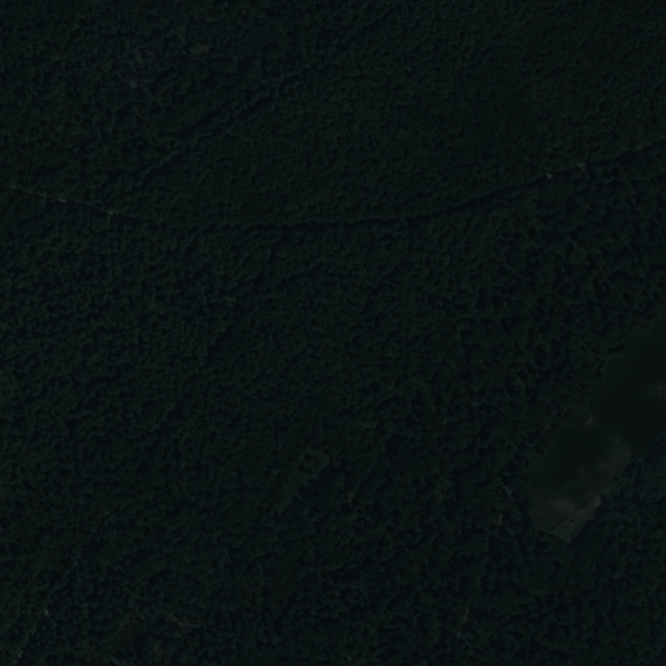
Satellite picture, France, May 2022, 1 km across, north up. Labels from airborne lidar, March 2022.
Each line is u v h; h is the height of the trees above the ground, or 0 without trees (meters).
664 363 0
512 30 22
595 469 0
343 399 33
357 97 28
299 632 36
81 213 23
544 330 35
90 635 29
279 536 35
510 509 34
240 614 29
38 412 35
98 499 34
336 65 27
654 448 0
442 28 29
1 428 33
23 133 21
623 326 29
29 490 32
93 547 9
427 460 34
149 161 27
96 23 17
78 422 34
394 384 32
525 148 29
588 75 25
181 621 25
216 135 28
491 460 32
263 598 26
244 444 29
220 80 31
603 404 0
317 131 28
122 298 36
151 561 32
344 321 31
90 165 30
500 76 28
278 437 31
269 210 30
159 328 16
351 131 29
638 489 23
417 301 32
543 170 25
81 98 26
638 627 29
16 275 32
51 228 32
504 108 29
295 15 30
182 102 30
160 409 31
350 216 28
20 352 34
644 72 24
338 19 27
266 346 32
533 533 29
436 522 35
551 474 0
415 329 33
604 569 29
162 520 30
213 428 32
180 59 23
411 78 31
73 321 30
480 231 32
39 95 27
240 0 20
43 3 23
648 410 0
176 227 24
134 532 30
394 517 33
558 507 0
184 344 33
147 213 29
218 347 31
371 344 33
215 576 37
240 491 35
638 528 30
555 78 23
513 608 33
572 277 32
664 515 25
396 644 36
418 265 28
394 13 24
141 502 14
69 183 29
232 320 30
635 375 0
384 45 28
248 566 30
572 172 24
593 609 27
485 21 28
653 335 0
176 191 31
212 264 32
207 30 11
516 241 33
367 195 31
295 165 30
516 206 31
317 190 32
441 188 29
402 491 34
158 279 38
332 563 33
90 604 34
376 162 32
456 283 34
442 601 34
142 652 36
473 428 33
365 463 30
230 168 28
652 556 29
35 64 24
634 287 33
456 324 31
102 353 34
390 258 32
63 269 34
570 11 28
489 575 31
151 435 31
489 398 32
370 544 35
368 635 36
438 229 29
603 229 34
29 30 26
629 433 0
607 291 32
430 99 30
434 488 35
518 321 35
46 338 33
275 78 29
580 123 29
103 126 30
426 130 29
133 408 33
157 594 32
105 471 31
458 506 37
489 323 32
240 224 27
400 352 33
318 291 33
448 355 32
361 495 32
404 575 34
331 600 33
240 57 10
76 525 19
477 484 36
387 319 34
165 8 11
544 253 27
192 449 30
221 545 33
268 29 13
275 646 35
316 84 29
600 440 0
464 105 27
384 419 35
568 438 0
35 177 27
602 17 27
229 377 32
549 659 31
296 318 32
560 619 32
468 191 29
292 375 34
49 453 33
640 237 32
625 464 0
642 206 30
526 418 34
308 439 31
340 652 35
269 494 30
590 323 33
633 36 28
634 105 30
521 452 34
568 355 34
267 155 28
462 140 30
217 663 30
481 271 31
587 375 34
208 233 31
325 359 32
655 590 29
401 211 27
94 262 34
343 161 28
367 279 33
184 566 33
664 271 29
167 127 27
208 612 21
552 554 25
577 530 0
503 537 33
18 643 28
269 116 31
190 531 31
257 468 31
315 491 26
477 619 32
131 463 31
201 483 32
